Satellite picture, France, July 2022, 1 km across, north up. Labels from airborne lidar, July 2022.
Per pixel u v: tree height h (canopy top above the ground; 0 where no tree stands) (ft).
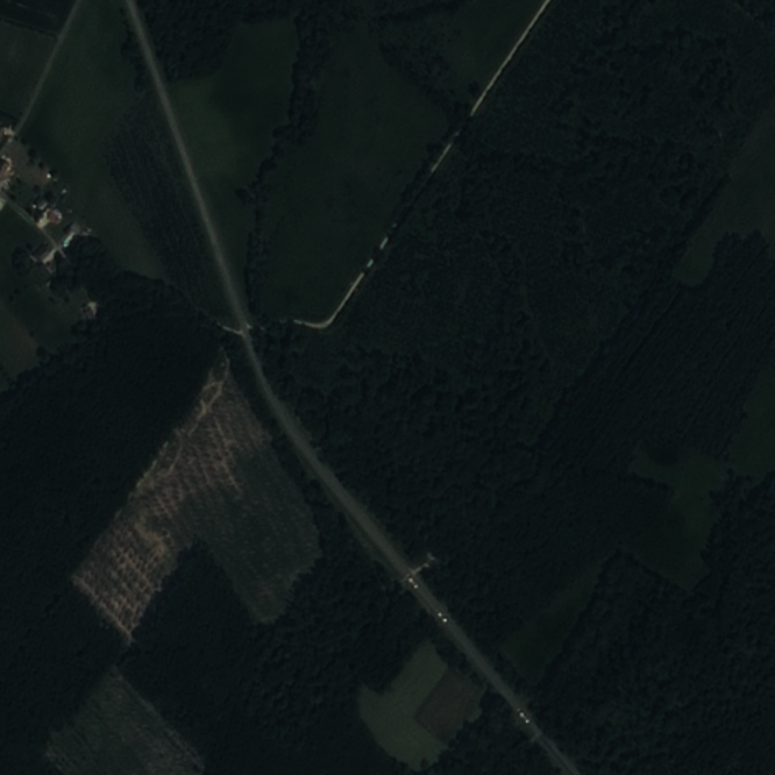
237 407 0
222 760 35
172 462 0
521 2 0
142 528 0
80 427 80
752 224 0
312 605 61
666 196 80
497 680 0
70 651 63
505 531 55
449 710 0
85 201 0
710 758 30
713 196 25
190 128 0
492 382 66
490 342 72
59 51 0
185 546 0
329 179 0
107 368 85
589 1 20
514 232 26
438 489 68
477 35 0
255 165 0
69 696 78
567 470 64
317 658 63
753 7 83
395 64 57
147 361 93
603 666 41
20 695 64
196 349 84
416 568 0
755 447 0
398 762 40
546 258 26
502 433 69
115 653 65
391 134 0
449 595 62
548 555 58
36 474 92
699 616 82
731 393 52
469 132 69
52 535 77
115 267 50
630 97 78
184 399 88
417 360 23
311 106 46
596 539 65
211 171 0
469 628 81
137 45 43
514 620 79
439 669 0
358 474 68
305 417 87
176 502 0
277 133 37
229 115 0
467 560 47
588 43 21
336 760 39
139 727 0
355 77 0
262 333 52
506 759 47
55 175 33
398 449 63
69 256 43
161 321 72
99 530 69
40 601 70
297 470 55
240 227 0
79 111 0
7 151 0
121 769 0
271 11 79
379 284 20
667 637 88
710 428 65
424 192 43
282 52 0
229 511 0
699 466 0
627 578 91
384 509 81
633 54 87
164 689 86
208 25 71
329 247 0
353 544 49
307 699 65
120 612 0
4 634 70
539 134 20
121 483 57
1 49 0
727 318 41
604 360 67
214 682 79
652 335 62
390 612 81
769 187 0
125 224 0
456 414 47
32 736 74
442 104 59
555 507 53
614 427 49
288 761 31
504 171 20
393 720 0
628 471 58
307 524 0
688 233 51
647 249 68
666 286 60
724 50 68
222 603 70
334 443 79
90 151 0
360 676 51
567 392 45
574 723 82
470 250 23
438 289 18
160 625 89
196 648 65
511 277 62
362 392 43
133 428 68
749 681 58
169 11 73
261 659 52
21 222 0
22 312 0
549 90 21
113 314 59
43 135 0
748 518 65
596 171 60
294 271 0
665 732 43
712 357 48
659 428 46
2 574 80
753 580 39
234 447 0
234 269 0
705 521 0
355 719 64
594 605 50
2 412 76
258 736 33
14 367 0
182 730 69
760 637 57
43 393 89
